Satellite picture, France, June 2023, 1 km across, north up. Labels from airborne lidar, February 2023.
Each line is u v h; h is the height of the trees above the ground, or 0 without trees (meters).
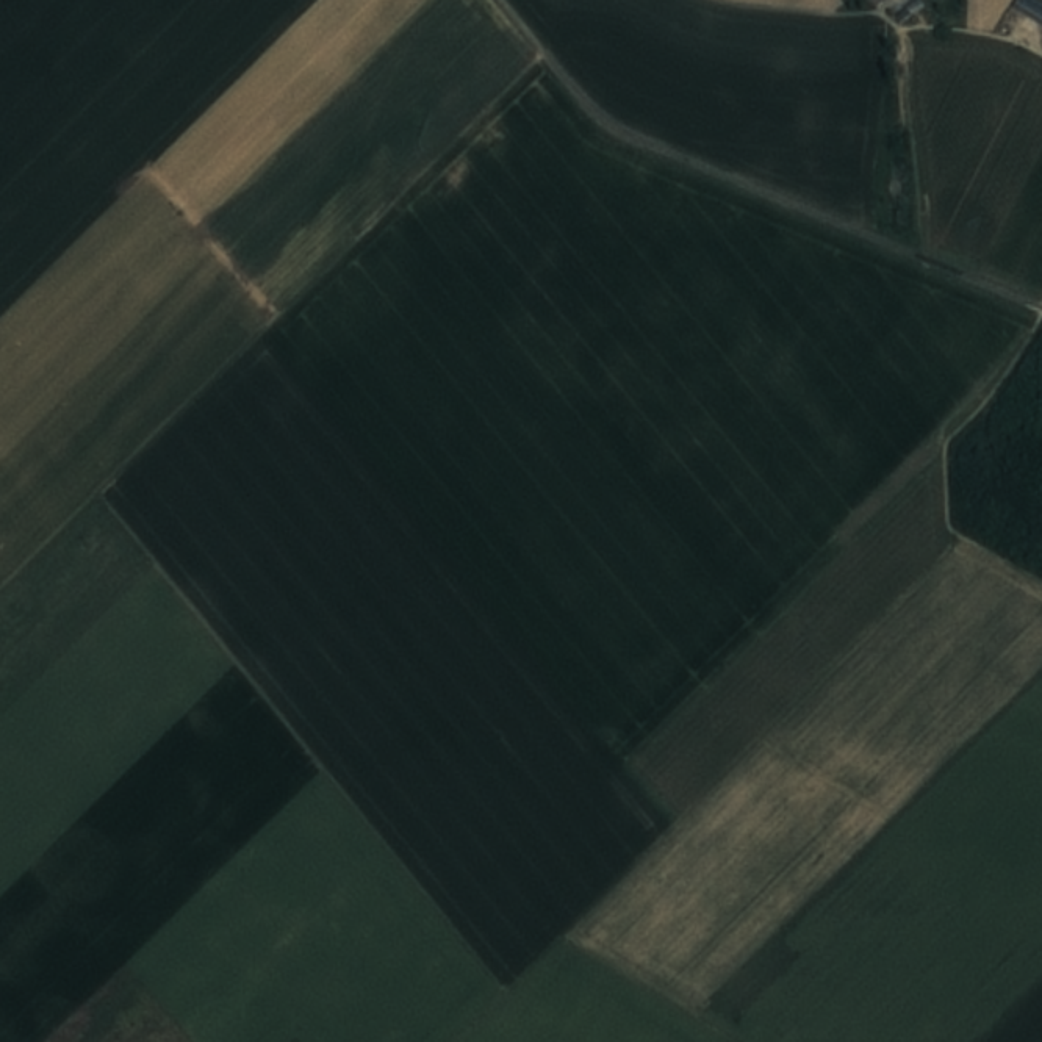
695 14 0
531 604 0
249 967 0
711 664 0
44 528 0
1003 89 0
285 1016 0
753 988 0
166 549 0
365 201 0
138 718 0
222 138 0
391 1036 0
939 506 0
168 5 0
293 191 0
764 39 0
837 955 0
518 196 0
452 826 0
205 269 0
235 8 0
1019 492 9
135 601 0
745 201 0
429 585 0
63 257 0
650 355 0
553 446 0
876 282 0
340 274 0
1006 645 0
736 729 0
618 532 0
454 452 0
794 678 0
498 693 0
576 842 0
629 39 0
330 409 0
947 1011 0
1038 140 0
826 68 0
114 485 0
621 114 0
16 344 0
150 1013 0
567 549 0
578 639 0
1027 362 13
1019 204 0
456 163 0
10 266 0
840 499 0
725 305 0
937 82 0
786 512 0
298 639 0
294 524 0
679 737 0
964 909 0
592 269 0
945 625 0
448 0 0
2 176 0
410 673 0
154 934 0
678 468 0
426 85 0
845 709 0
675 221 0
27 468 0
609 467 0
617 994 0
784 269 0
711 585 0
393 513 0
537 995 0
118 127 0
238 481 0
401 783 0
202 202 0
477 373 0
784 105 0
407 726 0
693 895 0
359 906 0
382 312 0
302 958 0
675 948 0
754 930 0
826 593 0
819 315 0
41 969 0
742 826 0
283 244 0
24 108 0
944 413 0
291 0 0
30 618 0
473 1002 0
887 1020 0
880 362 0
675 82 0
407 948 0
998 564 0
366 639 0
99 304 0
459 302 0
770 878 0
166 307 0
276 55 0
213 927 0
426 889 0
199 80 0
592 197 0
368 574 0
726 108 0
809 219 0
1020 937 0
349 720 0
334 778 0
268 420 0
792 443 0
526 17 0
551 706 0
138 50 0
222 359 0
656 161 0
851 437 0
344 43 0
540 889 0
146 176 0
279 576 0
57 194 0
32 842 0
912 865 0
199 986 0
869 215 0
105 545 0
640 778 0
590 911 0
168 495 0
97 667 0
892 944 0
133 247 0
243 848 0
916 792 0
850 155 0
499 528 0
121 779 0
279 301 0
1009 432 13
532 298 0
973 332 0
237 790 0
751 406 0
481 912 0
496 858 0
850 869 0
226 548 0
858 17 0
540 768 0
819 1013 0
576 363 0
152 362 0
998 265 0
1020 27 0
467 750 0
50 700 0
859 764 0
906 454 0
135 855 0
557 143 0
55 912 0
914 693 0
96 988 0
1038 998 0
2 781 0
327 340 0
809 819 0
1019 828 0
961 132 0
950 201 0
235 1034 0
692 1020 0
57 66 0
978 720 0
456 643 0
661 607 0
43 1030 0
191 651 0
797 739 0
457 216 0
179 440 0
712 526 0
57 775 0
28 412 0
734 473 0
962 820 0
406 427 0
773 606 0
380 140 0
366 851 0
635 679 0
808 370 0
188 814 0
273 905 0
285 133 0
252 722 0
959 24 0
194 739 0
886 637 0
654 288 0
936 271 0
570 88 0
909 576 0
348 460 0
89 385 0
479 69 0
